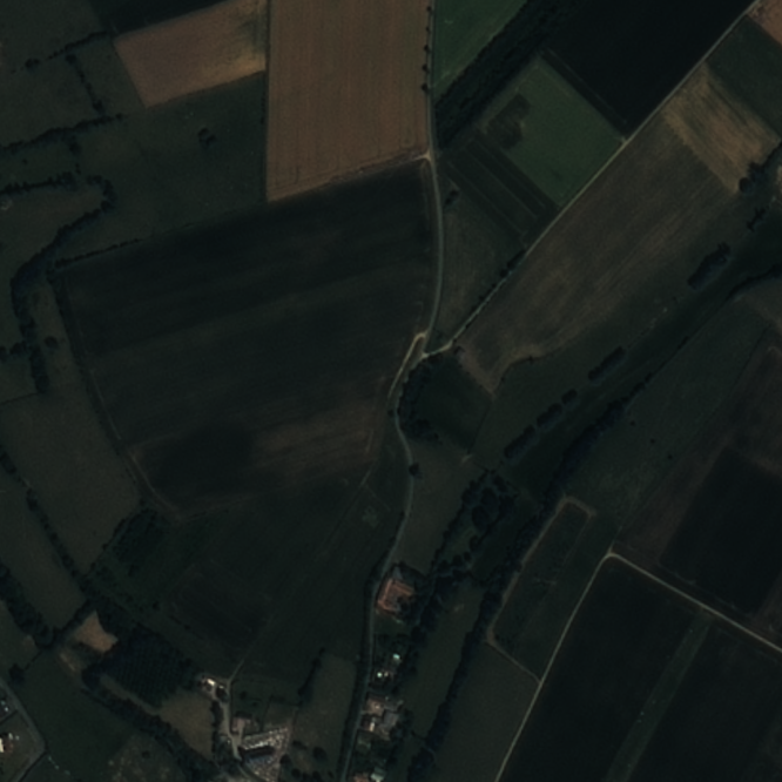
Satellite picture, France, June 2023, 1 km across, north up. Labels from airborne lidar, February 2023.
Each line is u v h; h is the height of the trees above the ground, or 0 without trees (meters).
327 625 0
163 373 0
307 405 0
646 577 0
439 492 0
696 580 0
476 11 0
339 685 0
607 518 0
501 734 0
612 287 0
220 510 0
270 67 0
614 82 0
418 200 0
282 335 0
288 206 0
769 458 0
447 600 0
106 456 0
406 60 0
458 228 0
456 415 0
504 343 0
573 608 0
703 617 0
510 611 0
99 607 8
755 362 0
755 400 0
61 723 0
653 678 0
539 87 0
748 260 0
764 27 0
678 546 0
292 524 0
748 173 0
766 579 0
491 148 0
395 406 0
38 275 19
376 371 0
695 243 0
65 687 0
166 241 0
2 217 0
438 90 0
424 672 0
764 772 0
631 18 0
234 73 0
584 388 0
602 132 0
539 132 0
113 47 0
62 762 0
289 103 0
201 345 0
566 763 0
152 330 0
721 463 0
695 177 0
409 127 0
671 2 0
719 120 0
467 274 0
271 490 0
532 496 0
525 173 0
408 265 0
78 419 0
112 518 0
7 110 0
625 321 0
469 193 0
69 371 0
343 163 0
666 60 0
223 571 0
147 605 0
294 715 0
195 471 0
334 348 0
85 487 0
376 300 0
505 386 0
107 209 12
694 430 0
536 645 0
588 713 0
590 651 0
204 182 0
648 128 0
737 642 0
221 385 0
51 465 0
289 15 0
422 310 0
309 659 0
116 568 0
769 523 0
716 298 0
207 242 0
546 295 0
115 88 0
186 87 0
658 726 0
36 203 0
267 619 0
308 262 0
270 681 0
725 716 0
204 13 0
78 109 0
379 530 0
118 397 0
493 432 0
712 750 0
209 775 6
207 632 0
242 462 0
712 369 0
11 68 0
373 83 0
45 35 0
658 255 0
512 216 0
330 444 0
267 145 0
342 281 0
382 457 0
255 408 0
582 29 0
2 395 0
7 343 0
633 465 0
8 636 0
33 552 0
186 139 0
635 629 0
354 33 0
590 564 0
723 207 0
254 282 0
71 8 0
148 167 0
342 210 0
